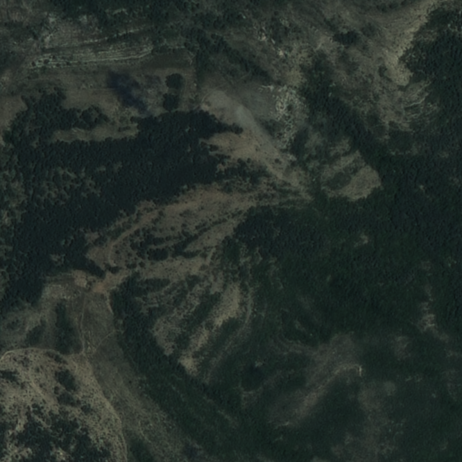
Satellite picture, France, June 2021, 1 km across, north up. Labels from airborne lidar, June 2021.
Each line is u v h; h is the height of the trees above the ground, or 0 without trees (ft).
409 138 26
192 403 17
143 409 0
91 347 0
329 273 24
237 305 0
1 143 0
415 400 18
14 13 0
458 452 22
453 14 31
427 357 21
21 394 0
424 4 0
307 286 22
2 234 25
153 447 0
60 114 24
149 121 35
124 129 22
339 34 33
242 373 18
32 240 42
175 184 33
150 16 25
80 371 0
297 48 0
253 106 0
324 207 18
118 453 0
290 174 0
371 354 25
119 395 0
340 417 26
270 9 0
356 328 23
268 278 24
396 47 0
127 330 26
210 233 0
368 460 0
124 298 40
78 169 26
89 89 0
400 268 24
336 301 39
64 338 24
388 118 0
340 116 40
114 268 37
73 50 0
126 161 29
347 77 0
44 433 22
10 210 28
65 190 32
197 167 39
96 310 0
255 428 25
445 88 22
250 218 30
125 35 29
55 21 0
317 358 0
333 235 18
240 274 22
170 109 28
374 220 50
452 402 24
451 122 46
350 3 0
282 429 20
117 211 32
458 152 39
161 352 28
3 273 27
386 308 23
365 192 0
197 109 0
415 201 44
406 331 28
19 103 0
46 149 33
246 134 0
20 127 22
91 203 35
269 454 19
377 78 0
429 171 35
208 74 0
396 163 33
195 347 0
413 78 18
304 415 0
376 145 35
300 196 0
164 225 0
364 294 35
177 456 0
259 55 0
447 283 27
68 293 0
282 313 18
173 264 0
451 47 28
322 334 19
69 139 0
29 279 41
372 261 37
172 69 0
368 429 0
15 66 0
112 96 0
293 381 23
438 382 18
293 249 39
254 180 29
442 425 24
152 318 32
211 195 0
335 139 28
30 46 0
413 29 0
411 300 27
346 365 0
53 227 35
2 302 35
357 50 0
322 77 24
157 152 35
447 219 58
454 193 32
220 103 0
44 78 0
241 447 20
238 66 0
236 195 0
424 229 52
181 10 23
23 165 36
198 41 19
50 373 0
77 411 0
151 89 0
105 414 0
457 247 43
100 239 26
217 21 21
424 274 25
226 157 20
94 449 21
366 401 0
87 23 0
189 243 26
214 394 25
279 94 0
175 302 28
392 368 19
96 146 34
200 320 23
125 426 0
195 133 37
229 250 19
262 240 36
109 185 27
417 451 19
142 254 25
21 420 0
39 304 0
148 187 37
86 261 36
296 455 41
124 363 0
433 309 25
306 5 0
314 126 28
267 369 20
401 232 26
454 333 27
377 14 0
